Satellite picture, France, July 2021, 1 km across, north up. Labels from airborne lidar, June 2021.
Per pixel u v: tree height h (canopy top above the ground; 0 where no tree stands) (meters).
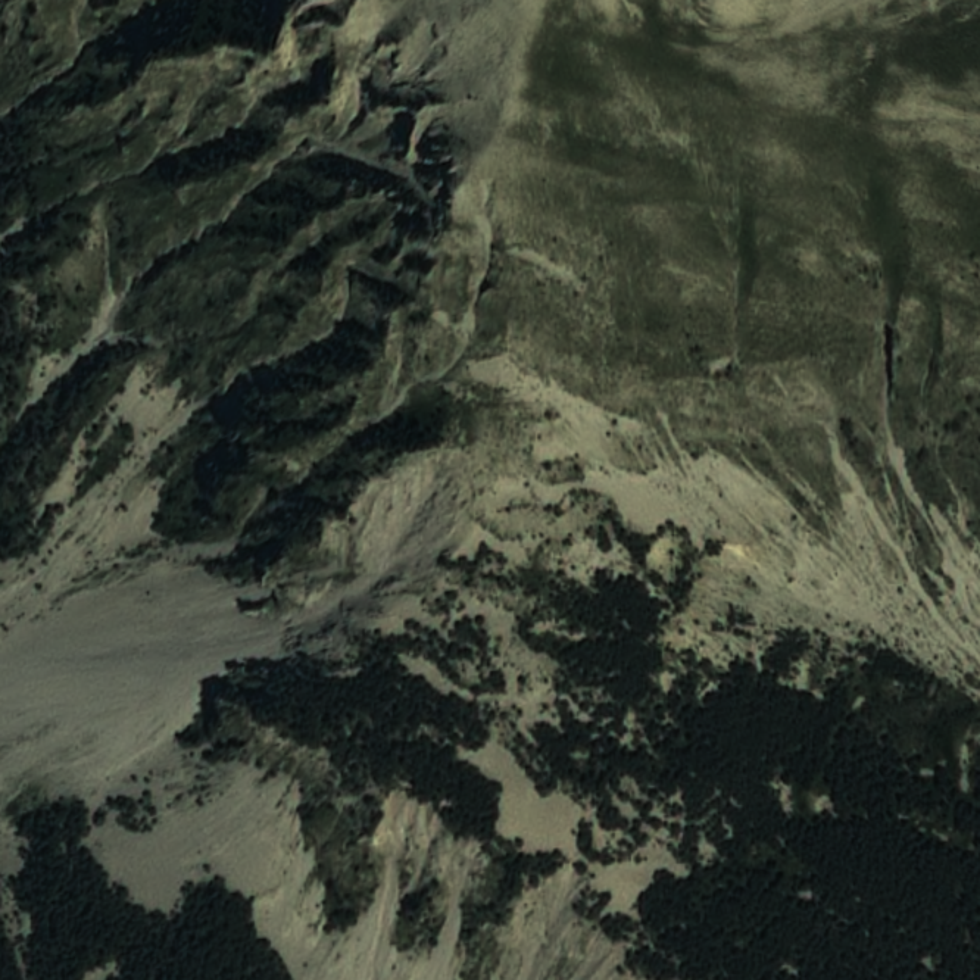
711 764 14
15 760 0
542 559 0
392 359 0
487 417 0
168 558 0
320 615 0
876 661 7
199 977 15
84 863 10
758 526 0
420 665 0
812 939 15
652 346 0
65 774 0
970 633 0
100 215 0
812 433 0
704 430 0
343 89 0
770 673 12
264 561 16
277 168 0
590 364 0
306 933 0
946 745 0
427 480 0
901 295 0
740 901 13
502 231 0
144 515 0
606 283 0
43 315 10
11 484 10
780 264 0
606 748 13
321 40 0
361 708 12
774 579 0
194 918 9
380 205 0
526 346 0
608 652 10
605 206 0
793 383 0
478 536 0
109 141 0
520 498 0
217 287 0
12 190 13
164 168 11
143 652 0
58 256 0
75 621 0
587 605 7
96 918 14
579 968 0
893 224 0
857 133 0
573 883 0
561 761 11
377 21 0
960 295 0
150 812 6
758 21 0
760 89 0
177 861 0
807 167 0
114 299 0
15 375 11
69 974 15
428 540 0
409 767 12
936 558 0
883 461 0
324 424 7
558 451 0
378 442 9
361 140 0
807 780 16
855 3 0
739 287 0
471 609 0
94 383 9
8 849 0
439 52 0
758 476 0
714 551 6
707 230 0
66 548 0
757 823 9
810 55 0
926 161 0
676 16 0
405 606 0
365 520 0
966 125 0
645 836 7
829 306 0
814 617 0
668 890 11
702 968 9
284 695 9
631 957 7
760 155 0
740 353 0
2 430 7
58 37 0
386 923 0
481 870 0
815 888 14
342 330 15
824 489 0
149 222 0
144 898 0
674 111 0
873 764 13
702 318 0
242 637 0
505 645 0
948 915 19
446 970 0
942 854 19
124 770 0
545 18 0
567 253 0
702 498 0
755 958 13
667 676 0
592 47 0
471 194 0
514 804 0
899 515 0
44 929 10
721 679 7
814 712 15
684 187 0
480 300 0
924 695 6
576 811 0
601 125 0
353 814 10
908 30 0
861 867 16
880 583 0
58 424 9
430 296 0
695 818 6
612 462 0
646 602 13
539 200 0
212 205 0
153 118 0
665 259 0
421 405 0
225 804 0
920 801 11
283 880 0
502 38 0
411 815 0
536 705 0
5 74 0
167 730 0
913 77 0
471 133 0
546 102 0
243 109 0
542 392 0
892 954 15
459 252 0
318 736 7
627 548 7
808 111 0
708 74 0
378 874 0
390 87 0
